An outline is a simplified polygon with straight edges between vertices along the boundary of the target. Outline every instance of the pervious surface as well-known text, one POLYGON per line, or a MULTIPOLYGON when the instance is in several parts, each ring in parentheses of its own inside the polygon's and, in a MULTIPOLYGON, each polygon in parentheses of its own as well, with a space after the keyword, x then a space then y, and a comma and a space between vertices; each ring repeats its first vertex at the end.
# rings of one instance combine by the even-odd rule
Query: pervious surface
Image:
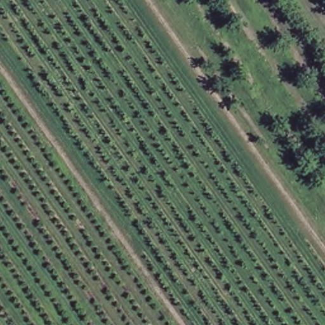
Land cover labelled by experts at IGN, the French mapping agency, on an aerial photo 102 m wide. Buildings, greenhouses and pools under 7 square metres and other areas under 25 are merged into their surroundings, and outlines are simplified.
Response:
POLYGON ((204 75, 204 72, 201 69, 201 67, 197 67, 196 69, 196 75, 203 77, 201 83, 202 88, 204 90, 215 91, 215 84, 217 83, 216 76, 204 75))
POLYGON ((20 102, 44 133, 48 140, 47 145, 52 146, 69 166, 71 174, 88 194, 96 211, 104 217, 112 231, 110 239, 121 242, 126 253, 131 256, 133 263, 137 265, 136 269, 146 279, 147 284, 143 288, 156 293, 156 300, 164 303, 179 325, 187 325, 171 305, 168 297, 157 286, 154 277, 119 231, 116 222, 100 204, 83 176, 75 169, 60 143, 29 103, 27 96, 18 88, 8 70, 0 65, 0 76, 17 94, 20 102))
POLYGON ((325 254, 325 242, 292 198, 291 193, 284 188, 281 179, 260 154, 258 147, 249 140, 244 128, 226 108, 222 99, 220 94, 215 93, 212 94, 212 98, 220 102, 218 105, 223 108, 223 114, 235 127, 245 146, 258 160, 265 174, 282 194, 284 201, 291 206, 305 230, 325 254))
POLYGON ((143 0, 182 53, 184 62, 190 67, 196 66, 192 63, 187 46, 176 36, 154 0, 143 0))

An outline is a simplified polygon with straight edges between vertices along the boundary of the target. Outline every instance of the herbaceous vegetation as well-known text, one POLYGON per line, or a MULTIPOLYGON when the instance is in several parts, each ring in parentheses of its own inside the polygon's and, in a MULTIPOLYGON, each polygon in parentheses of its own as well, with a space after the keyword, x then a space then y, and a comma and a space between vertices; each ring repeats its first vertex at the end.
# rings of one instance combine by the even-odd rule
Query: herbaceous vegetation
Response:
POLYGON ((312 92, 302 86, 295 88, 298 75, 312 67, 312 61, 316 58, 315 47, 307 42, 307 36, 302 29, 289 29, 289 25, 284 23, 287 17, 282 9, 275 10, 273 14, 269 13, 267 8, 274 3, 273 0, 226 0, 230 8, 229 14, 211 10, 206 14, 203 5, 208 3, 208 0, 154 0, 176 36, 187 46, 192 63, 196 66, 190 67, 184 62, 182 53, 143 0, 0 0, 0 65, 8 70, 18 88, 27 96, 29 103, 60 143, 75 169, 83 176, 100 204, 116 222, 119 231, 154 277, 157 286, 168 297, 171 305, 187 325, 325 325, 325 254, 305 230, 291 206, 284 201, 282 194, 265 174, 258 160, 245 146, 235 127, 223 114, 223 108, 218 105, 220 102, 212 98, 212 94, 215 93, 215 91, 204 90, 202 88, 201 83, 203 77, 196 75, 196 69, 197 67, 201 67, 201 69, 204 72, 204 75, 216 76, 222 74, 229 77, 237 66, 240 67, 241 74, 246 76, 245 80, 232 81, 229 86, 230 95, 222 99, 226 108, 244 128, 249 140, 258 147, 260 154, 281 179, 284 188, 291 193, 292 198, 325 242, 325 187, 320 185, 314 189, 307 189, 306 184, 311 182, 311 175, 296 176, 292 173, 292 169, 298 165, 293 150, 283 151, 281 154, 282 145, 286 145, 288 137, 279 135, 274 138, 270 131, 273 131, 273 123, 278 121, 279 116, 291 118, 293 113, 300 109, 310 109, 315 117, 325 116, 325 105, 316 102, 312 92), (94 8, 117 38, 119 46, 123 48, 122 52, 114 50, 112 39, 95 22, 91 14, 91 9, 94 8), (283 30, 287 29, 292 37, 297 38, 296 46, 289 48, 292 57, 277 54, 269 48, 270 44, 281 38, 283 30), (118 75, 118 70, 123 70, 138 94, 149 105, 154 116, 149 116, 141 107, 118 75), (69 124, 72 135, 79 138, 83 150, 77 150, 74 142, 63 131, 61 122, 53 114, 56 108, 69 124), (241 241, 254 255, 255 262, 250 262, 248 255, 239 248, 234 236, 223 225, 221 216, 225 216, 232 229, 240 235, 241 241), (145 241, 135 230, 137 225, 159 251, 161 259, 174 274, 175 282, 170 282, 165 270, 147 250, 145 241))
POLYGON ((47 145, 48 140, 44 133, 20 102, 17 94, 0 76, 0 325, 179 325, 164 303, 156 300, 156 293, 143 288, 147 284, 146 279, 136 269, 137 265, 133 263, 131 256, 126 253, 121 242, 110 239, 112 231, 104 217, 96 211, 88 194, 71 174, 69 166, 52 146, 47 145))
POLYGON ((301 6, 303 22, 308 23, 308 32, 319 27, 316 42, 325 39, 325 0, 298 0, 297 5, 301 6))

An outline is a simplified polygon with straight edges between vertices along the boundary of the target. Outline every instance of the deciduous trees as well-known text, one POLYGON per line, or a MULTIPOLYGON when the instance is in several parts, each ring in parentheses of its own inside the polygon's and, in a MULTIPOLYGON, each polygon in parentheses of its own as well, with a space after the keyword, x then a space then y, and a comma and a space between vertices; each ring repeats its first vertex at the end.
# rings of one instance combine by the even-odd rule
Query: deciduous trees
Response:
POLYGON ((277 54, 292 57, 289 48, 296 46, 297 38, 292 37, 287 29, 283 30, 281 38, 270 44, 269 48, 277 54))
POLYGON ((307 42, 315 47, 316 58, 312 61, 312 67, 298 75, 295 88, 302 86, 312 92, 316 102, 325 105, 325 39, 316 42, 319 27, 308 32, 308 23, 303 22, 301 6, 297 5, 298 0, 273 0, 274 3, 267 8, 269 13, 273 14, 275 10, 282 9, 287 17, 284 23, 289 25, 289 29, 302 29, 307 36, 307 42))
POLYGON ((161 259, 159 251, 137 225, 135 230, 145 241, 147 250, 165 270, 170 282, 175 282, 174 274, 161 259))
POLYGON ((229 14, 230 8, 226 0, 208 0, 208 3, 203 5, 206 14, 211 10, 229 14))
POLYGON ((95 22, 112 39, 114 50, 122 52, 123 48, 119 46, 117 38, 94 8, 91 9, 91 14, 95 22))
POLYGON ((223 225, 234 236, 239 248, 248 255, 250 262, 255 262, 254 255, 241 241, 240 235, 232 229, 225 216, 221 216, 223 225))
POLYGON ((138 94, 123 70, 118 70, 118 75, 141 107, 149 116, 154 116, 149 105, 138 94))
POLYGON ((69 124, 56 108, 53 114, 61 122, 63 131, 74 142, 77 150, 83 150, 79 138, 72 135, 69 124))
POLYGON ((216 76, 217 83, 215 84, 215 91, 215 93, 220 94, 222 99, 230 95, 229 86, 232 81, 245 80, 246 76, 241 74, 240 67, 237 66, 229 77, 222 74, 216 76))
POLYGON ((288 137, 286 145, 282 145, 281 154, 283 151, 293 150, 298 165, 292 169, 292 173, 296 176, 311 175, 311 182, 306 184, 307 189, 314 189, 320 185, 325 187, 325 116, 315 117, 310 109, 300 109, 293 113, 291 118, 279 116, 278 121, 273 123, 273 131, 270 131, 274 138, 279 135, 288 137))

